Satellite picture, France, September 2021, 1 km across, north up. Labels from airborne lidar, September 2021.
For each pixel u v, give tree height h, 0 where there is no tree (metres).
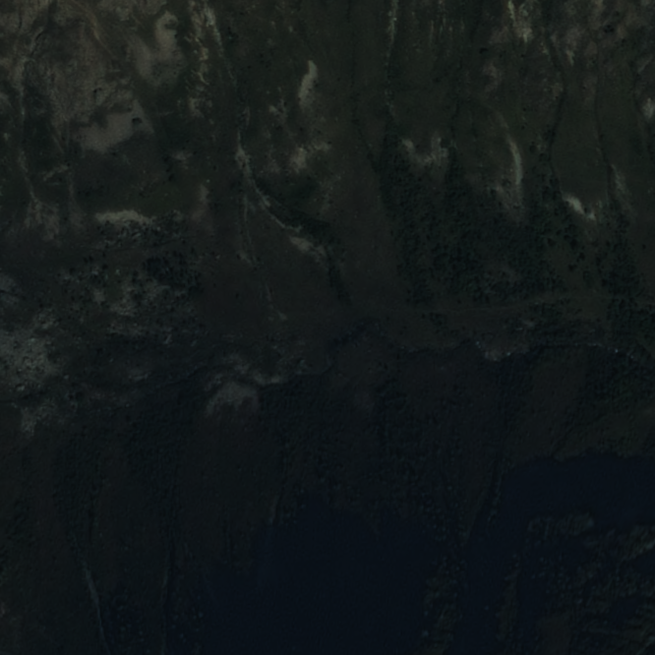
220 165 0
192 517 0
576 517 10
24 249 0
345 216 0
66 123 0
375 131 0
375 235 0
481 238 11
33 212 0
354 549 0
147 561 0
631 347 9
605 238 0
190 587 0
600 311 0
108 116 0
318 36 0
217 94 0
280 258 0
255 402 0
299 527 0
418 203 6
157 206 0
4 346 0
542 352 10
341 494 0
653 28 0
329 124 0
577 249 21
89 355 0
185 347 0
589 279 10
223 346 0
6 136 0
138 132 0
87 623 0
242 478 0
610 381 8
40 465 0
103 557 0
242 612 0
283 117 0
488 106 0
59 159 0
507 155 0
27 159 0
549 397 0
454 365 0
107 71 0
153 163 0
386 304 0
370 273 0
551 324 7
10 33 0
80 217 0
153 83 0
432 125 0
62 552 0
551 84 0
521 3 0
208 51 0
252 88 0
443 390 0
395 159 8
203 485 0
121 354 0
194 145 0
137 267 0
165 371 0
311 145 0
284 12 0
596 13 0
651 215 0
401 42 0
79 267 0
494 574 7
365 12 0
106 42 0
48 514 0
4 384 0
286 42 0
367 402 0
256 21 0
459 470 0
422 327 0
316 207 0
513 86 0
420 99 0
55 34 0
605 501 7
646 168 0
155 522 0
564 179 0
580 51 0
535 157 0
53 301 0
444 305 0
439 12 0
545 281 10
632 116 0
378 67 0
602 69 0
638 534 6
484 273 6
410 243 6
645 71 0
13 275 0
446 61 0
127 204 0
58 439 0
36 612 0
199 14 0
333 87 0
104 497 0
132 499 0
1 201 0
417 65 0
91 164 0
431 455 0
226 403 0
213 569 0
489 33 0
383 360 0
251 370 0
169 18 0
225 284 0
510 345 0
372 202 0
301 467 0
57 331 0
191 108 0
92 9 0
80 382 0
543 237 6
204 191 0
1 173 0
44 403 0
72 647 0
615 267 6
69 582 0
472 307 0
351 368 0
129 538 0
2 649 0
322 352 0
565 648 0
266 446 0
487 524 7
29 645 0
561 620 0
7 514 0
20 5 0
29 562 0
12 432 0
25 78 0
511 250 9
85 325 0
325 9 0
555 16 0
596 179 0
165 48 0
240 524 0
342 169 0
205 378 0
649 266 0
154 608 0
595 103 0
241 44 0
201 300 0
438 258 7
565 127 0
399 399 7
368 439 0
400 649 8
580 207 0
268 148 0
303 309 0
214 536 0
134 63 0
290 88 0
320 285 0
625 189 0
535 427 0
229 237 0
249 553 0
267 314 0
